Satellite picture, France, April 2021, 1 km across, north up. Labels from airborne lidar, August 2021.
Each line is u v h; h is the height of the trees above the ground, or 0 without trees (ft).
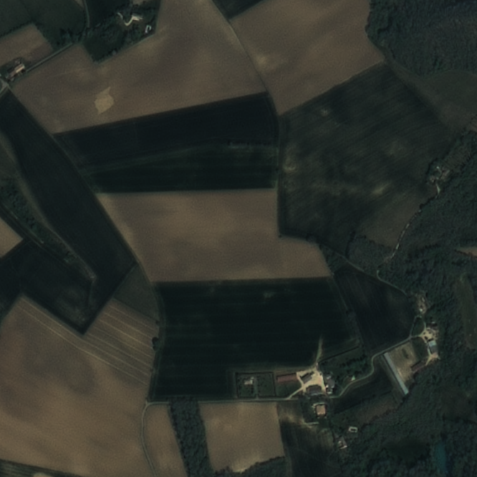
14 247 0
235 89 0
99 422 0
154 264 0
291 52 0
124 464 0
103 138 0
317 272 0
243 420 0
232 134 0
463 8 54
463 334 20
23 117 0
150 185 0
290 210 0
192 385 0
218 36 0
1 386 0
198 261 0
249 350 0
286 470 39
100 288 0
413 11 84
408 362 0
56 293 0
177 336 0
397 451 0
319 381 0
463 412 0
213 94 0
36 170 0
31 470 0
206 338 0
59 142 0
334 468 0
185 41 0
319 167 0
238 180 0
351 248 46
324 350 0
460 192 85
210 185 0
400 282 48
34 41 0
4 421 0
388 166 0
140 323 0
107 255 0
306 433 0
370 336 0
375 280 0
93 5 0
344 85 0
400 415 46
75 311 0
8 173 0
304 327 0
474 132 25
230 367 0
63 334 0
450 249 71
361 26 0
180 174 0
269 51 0
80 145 0
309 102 0
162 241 0
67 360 0
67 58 0
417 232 52
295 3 0
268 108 0
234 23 0
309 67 0
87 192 0
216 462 0
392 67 0
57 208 0
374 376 0
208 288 0
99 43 0
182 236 0
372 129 0
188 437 67
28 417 0
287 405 0
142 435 0
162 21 0
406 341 0
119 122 0
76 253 0
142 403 0
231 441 0
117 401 0
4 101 0
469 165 35
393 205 0
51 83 0
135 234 0
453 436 65
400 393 0
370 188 0
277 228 0
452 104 0
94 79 0
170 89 0
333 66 0
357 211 0
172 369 0
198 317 0
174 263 0
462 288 0
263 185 0
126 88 0
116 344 0
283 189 0
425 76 42
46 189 0
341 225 0
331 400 51
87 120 0
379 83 0
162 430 0
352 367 47
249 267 0
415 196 0
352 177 0
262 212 0
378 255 48
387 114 0
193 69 0
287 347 0
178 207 0
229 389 0
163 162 0
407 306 0
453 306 69
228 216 0
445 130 0
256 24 0
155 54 0
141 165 0
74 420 0
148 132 0
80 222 0
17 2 0
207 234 0
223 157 0
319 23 0
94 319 0
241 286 0
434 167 31
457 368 43
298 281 0
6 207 0
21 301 0
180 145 0
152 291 0
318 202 0
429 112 0
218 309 0
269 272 0
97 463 0
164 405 0
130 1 19
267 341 0
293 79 0
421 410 35
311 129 0
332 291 0
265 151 0
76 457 0
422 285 48
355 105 0
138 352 0
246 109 0
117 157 0
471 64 39
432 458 74
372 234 0
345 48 0
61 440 0
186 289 0
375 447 56
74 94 0
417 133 0
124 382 0
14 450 0
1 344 0
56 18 0
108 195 0
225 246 0
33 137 0
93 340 0
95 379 0
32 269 0
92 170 0
